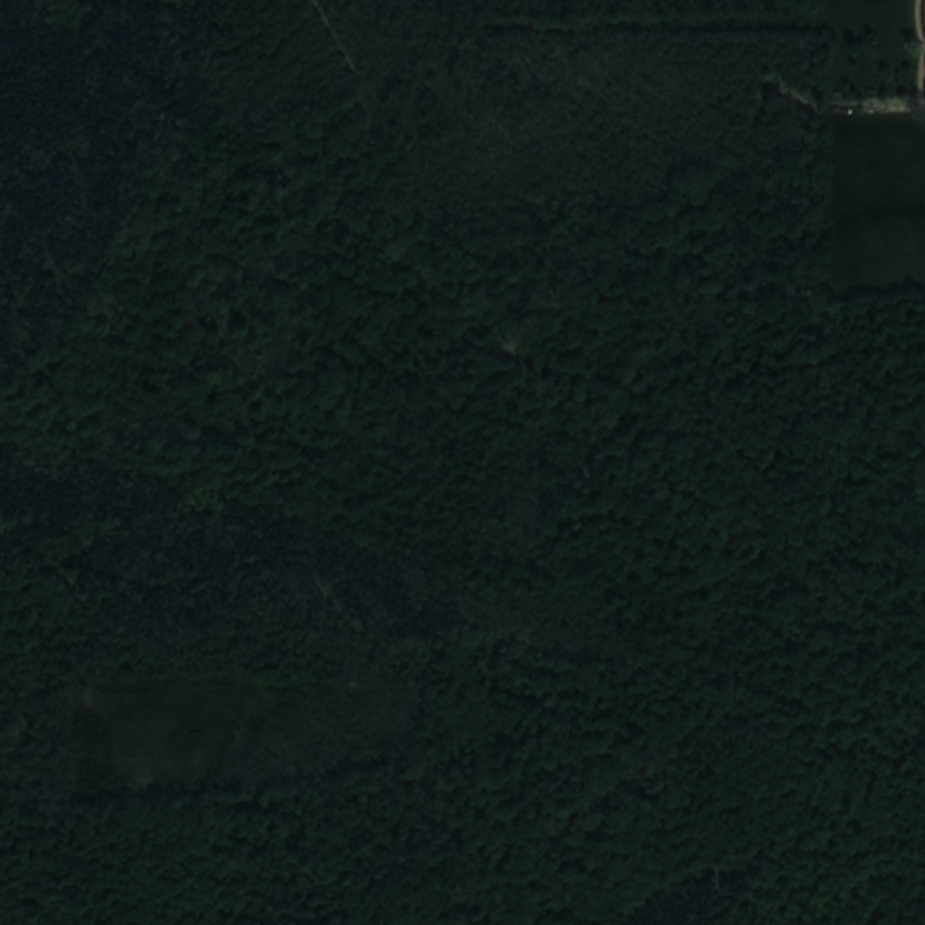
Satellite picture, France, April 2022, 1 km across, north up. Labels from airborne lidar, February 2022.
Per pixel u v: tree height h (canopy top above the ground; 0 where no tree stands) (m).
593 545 29
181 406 10
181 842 20
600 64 23
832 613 28
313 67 22
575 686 8
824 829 26
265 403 19
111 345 29
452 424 19
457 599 24
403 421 20
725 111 21
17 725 17
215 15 21
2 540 30
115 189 25
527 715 27
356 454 14
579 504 27
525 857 31
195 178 29
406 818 13
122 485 23
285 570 17
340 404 28
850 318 15
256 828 23
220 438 28
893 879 29
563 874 27
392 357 23
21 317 23
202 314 9
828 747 10
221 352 21
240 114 22
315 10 22
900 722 23
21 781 18
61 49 27
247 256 21
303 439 10
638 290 31
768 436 25
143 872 22
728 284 15
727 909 15
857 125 0
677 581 15
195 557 21
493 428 28
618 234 32
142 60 30
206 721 0
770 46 19
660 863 26
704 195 29
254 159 26
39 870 29
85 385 29
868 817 23
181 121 19
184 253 25
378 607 28
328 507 21
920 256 0
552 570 17
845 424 28
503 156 26
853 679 21
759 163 22
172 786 0
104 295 25
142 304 27
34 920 26
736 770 24
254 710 0
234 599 20
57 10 23
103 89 27
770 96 25
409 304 29
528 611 18
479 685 28
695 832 25
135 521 22
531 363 14
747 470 32
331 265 22
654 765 30
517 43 22
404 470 15
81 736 8
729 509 30
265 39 15
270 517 31
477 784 32
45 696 27
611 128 19
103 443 15
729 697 25
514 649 28
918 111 24
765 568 30
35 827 19
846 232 0
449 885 27
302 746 20
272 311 20
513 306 7
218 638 22
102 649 25
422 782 7
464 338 9
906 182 0
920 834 25
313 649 20
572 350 17
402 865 28
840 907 26
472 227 24
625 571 31
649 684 22
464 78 22
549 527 29
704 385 19
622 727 13
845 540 26
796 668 22
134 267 23
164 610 25
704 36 21
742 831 20
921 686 24
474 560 20
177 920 22
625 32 21
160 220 29
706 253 21
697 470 32
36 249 22
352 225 20
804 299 22
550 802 31
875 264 0
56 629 25
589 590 18
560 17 23
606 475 29
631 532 30
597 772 29
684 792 28
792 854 22
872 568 27
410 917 25
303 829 8
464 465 27
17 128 24
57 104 18
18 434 24
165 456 21
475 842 29
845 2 0
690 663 12
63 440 25
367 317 25
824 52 26
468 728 30
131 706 0
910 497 23
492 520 15
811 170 18
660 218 25
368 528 25
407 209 35
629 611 27
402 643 26
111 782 9
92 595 24
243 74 20
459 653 28
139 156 28
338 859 28
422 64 22
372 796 21
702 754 17
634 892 24
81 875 27
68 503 26
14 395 19
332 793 26
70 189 26
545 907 21
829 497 31
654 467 27
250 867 24
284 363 18
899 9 0
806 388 12
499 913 27
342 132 28
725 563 30
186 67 21
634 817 24
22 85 22
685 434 25
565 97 17
